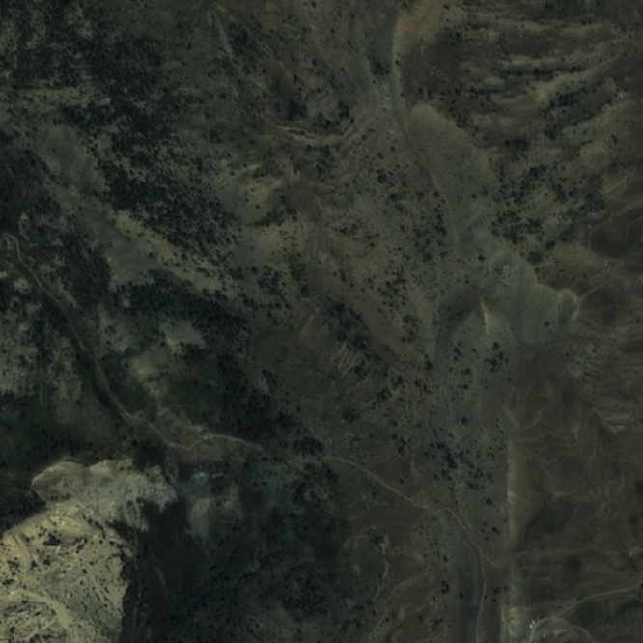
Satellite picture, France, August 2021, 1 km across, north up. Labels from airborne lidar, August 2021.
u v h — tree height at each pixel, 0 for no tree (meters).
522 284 0
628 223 0
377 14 0
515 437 0
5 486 0
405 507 0
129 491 0
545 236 0
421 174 0
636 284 0
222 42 0
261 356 0
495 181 0
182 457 0
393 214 0
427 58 0
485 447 0
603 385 0
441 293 0
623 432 0
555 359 0
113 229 0
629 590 0
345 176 0
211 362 0
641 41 0
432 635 0
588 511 0
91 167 0
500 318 0
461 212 0
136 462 0
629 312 0
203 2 0
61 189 0
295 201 0
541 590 0
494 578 0
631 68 0
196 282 0
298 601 9
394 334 0
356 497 0
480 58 0
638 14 0
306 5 0
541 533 0
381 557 0
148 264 0
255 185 0
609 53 0
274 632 0
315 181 0
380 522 0
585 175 0
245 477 0
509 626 0
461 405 0
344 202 0
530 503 0
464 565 0
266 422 8
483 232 0
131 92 7
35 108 0
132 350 0
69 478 0
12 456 0
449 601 0
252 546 0
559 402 0
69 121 5
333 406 0
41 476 0
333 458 0
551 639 0
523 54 0
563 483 0
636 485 0
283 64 0
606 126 0
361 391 0
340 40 0
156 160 6
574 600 0
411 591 0
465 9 0
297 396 0
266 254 0
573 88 0
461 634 0
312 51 0
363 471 0
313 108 0
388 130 0
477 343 0
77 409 0
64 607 0
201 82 0
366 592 0
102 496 0
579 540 0
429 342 0
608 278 0
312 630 0
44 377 0
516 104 0
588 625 0
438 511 0
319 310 0
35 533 0
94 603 0
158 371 0
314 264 0
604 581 0
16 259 0
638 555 0
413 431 0
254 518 0
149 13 0
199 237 9
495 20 0
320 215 0
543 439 0
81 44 9
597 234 0
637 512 0
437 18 0
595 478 0
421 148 0
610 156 0
